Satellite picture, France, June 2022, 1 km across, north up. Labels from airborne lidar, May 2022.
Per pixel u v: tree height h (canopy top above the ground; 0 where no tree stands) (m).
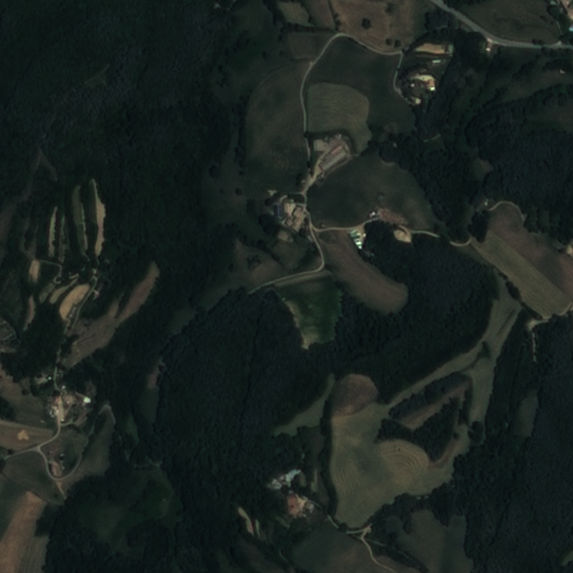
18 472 0
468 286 23
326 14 0
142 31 18
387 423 8
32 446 0
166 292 14
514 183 24
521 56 0
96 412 10
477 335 14
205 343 24
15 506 0
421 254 20
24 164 15
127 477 14
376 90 0
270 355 21
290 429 0
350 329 23
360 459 0
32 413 0
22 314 8
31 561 0
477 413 0
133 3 19
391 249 16
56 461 0
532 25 0
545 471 24
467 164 19
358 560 0
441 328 16
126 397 16
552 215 13
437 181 21
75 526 11
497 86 0
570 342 19
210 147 16
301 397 16
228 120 7
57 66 15
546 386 20
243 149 10
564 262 0
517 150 20
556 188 23
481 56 17
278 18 16
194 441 15
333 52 0
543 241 0
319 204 0
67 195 6
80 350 0
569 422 23
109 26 19
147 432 22
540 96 15
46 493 0
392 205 0
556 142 15
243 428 25
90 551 6
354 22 0
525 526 21
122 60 20
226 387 24
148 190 21
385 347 18
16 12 17
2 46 15
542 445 21
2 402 8
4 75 13
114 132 12
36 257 6
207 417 23
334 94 0
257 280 0
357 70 0
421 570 8
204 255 9
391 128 0
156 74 23
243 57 0
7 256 9
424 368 14
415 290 22
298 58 0
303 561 0
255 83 0
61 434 0
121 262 14
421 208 0
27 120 21
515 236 0
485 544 12
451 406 6
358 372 16
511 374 15
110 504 0
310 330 0
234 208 0
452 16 20
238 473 9
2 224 0
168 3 18
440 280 22
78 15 11
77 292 0
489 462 21
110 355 11
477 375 0
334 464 0
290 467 13
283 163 0
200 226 21
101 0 15
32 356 9
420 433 14
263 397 24
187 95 25
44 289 0
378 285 0
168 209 22
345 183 0
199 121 19
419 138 12
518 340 6
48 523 12
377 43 0
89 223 9
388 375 19
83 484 12
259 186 0
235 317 20
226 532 18
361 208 0
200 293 14
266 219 19
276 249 0
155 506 0
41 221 6
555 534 20
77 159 14
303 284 0
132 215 20
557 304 0
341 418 0
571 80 0
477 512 13
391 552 10
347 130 0
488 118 17
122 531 0
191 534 23
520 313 8
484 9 0
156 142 23
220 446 17
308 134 9
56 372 0
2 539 0
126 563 16
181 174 25
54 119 8
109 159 20
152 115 21
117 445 13
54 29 14
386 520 7
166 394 17
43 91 15
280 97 0
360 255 9
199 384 25
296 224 0
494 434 24
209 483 11
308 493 9
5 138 21
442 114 22
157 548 11
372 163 0
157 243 25
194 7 12
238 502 9
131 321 5
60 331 12
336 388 0
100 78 0
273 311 23
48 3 16
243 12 0
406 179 0
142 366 20
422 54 0
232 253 0
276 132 0
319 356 16
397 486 0
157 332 16
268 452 19
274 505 9
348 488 0
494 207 0
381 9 0
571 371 19
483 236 15
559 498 22
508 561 21
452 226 15
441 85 12
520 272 0
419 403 16
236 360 21
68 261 7
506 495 6
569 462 19
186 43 20
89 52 17
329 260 0
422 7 0
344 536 0
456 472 11
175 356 21
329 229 0
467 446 0
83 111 15
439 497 15
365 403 0
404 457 0
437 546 0
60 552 10
